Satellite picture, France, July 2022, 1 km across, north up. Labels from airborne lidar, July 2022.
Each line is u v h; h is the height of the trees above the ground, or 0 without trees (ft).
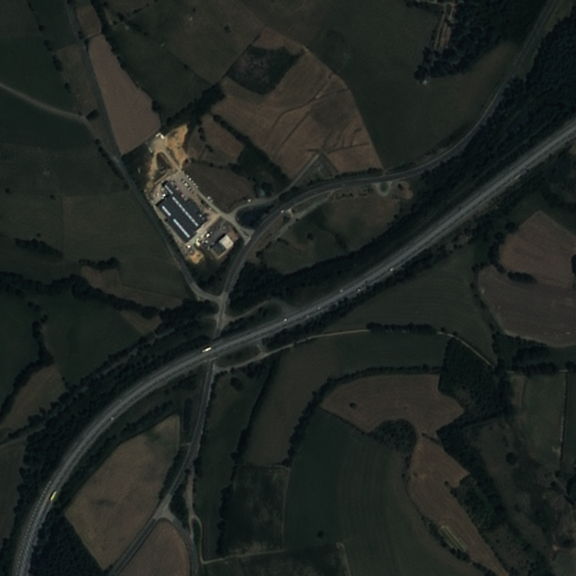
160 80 0
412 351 0
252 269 27
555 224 0
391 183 0
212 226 0
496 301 0
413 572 0
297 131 0
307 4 0
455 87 0
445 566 0
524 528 0
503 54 0
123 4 0
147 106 0
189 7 0
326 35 0
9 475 0
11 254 0
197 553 0
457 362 39
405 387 0
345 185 0
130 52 0
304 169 0
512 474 0
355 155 0
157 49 0
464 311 0
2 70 0
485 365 19
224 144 0
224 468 0
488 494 61
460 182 63
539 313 0
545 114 39
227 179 0
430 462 0
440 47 0
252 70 0
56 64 38
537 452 0
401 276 64
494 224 37
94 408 18
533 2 37
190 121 0
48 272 0
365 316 0
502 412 42
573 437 0
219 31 0
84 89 0
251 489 0
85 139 0
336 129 0
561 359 0
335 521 0
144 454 0
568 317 0
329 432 0
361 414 0
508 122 43
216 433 0
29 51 0
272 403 0
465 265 0
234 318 0
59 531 97
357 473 0
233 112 0
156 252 0
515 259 0
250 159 0
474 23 28
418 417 0
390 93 0
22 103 0
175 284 0
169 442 0
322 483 0
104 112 0
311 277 55
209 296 0
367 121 0
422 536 0
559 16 0
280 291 56
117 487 0
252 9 0
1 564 50
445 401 0
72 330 0
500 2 53
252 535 0
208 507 0
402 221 33
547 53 73
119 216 0
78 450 0
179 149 0
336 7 0
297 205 0
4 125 0
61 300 0
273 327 0
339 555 0
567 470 0
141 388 0
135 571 0
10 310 0
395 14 0
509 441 0
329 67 0
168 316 60
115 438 30
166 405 31
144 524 0
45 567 96
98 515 0
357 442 0
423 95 0
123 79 0
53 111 0
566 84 55
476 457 27
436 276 0
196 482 24
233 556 0
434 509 0
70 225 0
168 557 0
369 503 0
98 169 0
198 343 28
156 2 20
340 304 31
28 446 22
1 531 0
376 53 0
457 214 0
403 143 0
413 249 0
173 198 0
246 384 0
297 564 0
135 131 0
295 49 0
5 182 0
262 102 0
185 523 32
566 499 0
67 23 0
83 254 0
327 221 0
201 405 0
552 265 0
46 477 46
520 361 44
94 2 57
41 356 61
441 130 0
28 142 0
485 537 25
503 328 0
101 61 0
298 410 0
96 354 0
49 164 0
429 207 62
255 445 0
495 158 42
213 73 0
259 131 0
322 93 0
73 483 34
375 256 52
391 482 0
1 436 0
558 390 0
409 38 0
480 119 0
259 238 0
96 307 0
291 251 0
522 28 28
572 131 0
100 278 0
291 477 0
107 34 64
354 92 0
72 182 0
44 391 0
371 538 0
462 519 0
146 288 0
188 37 0
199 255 0
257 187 18
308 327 28
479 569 30
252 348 0
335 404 0
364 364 0
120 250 0
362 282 0
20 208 0
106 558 0
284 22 0
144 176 0
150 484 0
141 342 41
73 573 66
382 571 0
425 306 0
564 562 0
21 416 0
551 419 0
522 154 23
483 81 0
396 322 0
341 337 0
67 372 0
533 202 0
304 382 0
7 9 0
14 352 0
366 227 0
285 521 0
